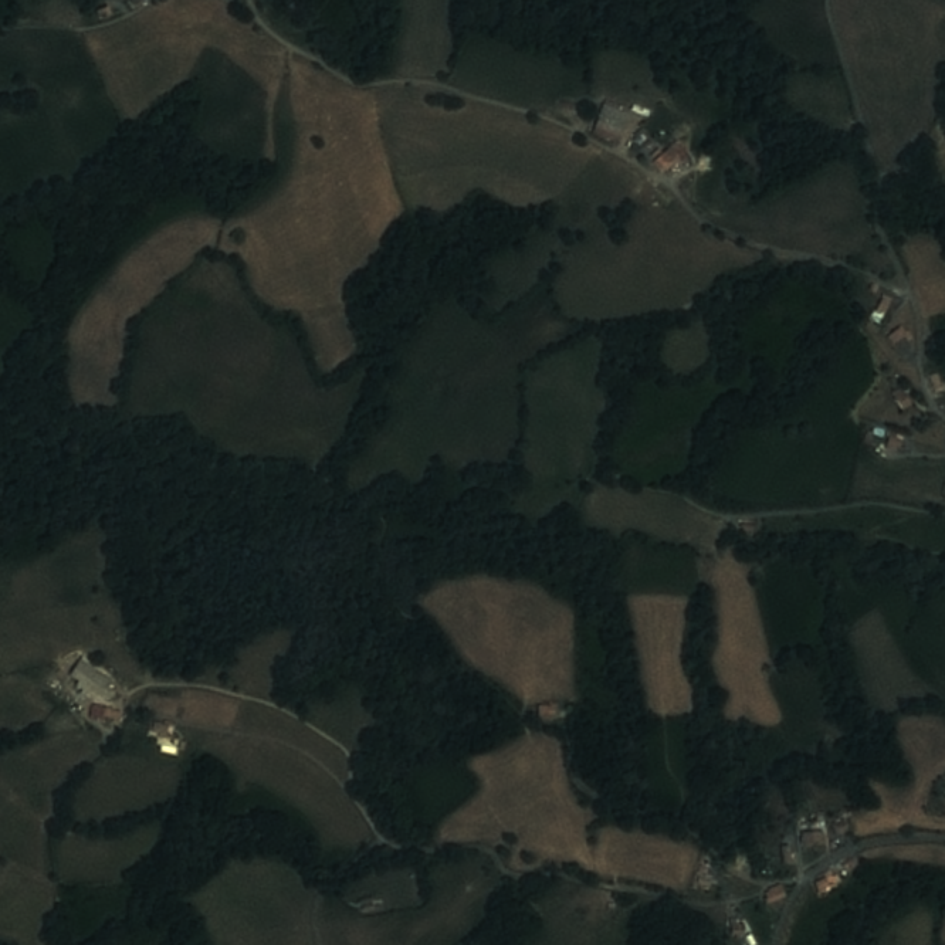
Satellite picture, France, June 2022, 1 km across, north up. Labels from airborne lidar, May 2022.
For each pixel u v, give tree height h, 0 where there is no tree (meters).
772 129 24
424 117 0
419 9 0
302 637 21
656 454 0
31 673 0
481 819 0
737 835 19
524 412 13
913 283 0
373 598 16
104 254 15
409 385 0
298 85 0
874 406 0
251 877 0
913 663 0
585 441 0
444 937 0
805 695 0
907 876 12
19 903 0
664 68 22
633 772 17
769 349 0
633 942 14
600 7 20
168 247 0
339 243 0
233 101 0
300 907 0
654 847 0
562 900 0
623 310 0
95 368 0
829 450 0
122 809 0
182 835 20
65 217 18
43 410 25
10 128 0
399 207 0
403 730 19
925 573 8
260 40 0
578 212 0
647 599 0
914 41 0
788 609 0
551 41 12
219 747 0
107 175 31
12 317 0
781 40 0
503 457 0
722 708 13
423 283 28
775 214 0
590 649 0
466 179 0
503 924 25
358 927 0
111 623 0
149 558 25
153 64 0
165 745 0
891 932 0
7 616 0
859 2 0
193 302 0
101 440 16
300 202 0
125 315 0
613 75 0
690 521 0
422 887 12
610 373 19
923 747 0
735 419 23
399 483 18
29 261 0
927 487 0
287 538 20
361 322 23
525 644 0
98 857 0
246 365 0
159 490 24
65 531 10
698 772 12
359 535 20
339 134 0
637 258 0
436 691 14
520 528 20
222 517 24
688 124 0
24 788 0
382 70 11
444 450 0
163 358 0
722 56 23
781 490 0
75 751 0
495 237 20
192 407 0
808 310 0
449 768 0
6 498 21
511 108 0
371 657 18
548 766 0
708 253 0
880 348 0
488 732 18
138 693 0
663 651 0
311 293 0
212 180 23
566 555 18
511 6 24
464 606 0
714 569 0
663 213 0
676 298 0
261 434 0
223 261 9
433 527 11
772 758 0
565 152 0
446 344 0
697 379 7
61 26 0
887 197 17
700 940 20
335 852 0
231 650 16
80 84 0
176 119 23
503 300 0
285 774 0
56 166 0
